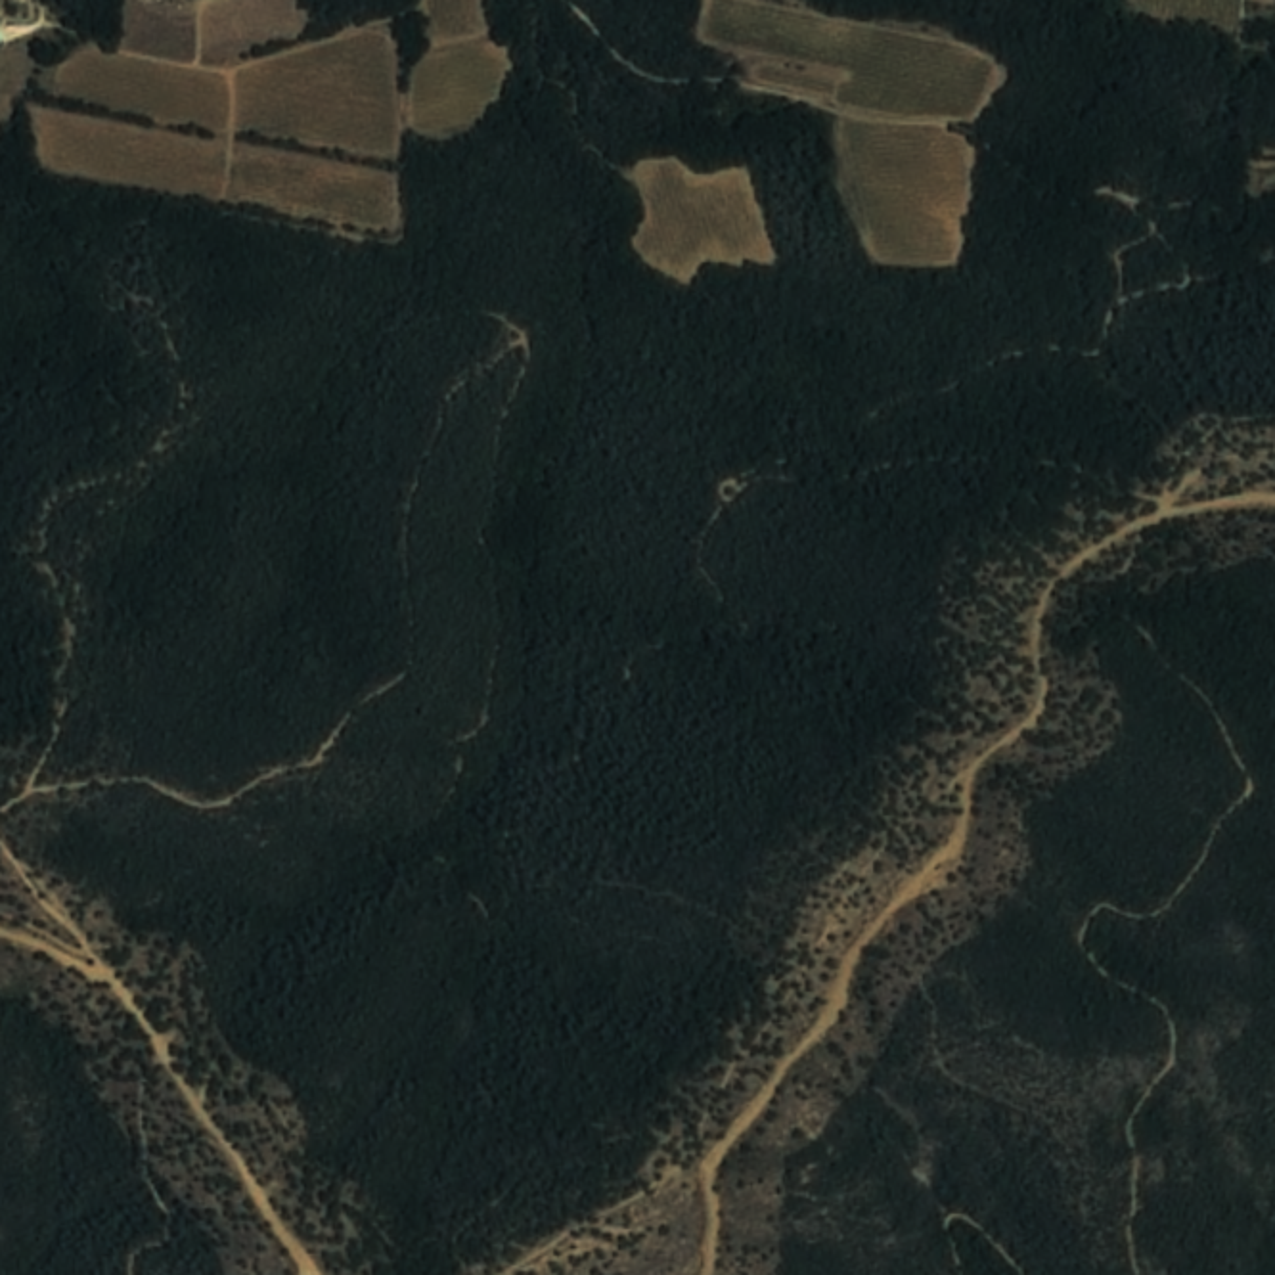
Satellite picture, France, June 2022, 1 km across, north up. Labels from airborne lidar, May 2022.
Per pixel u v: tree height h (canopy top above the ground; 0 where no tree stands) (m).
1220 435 8
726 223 0
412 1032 9
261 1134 6
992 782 7
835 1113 0
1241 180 15
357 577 12
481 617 9
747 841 6
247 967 7
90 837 7
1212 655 10
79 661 8
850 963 0
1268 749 6
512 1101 12
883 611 9
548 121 12
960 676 8
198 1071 10
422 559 7
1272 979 8
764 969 9
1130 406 8
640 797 17
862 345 9
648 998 10
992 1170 9
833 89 0
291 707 11
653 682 9
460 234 11
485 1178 9
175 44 0
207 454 9
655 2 9
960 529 9
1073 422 12
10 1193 8
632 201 11
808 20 0
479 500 9
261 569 7
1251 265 15
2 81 0
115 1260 14
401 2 11
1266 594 7
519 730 11
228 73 0
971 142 8
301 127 0
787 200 16
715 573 9
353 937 19
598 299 14
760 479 9
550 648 10
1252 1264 6
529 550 14
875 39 0
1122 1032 10
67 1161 8
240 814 5
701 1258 0
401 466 9
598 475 14
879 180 0
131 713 7
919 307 12
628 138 12
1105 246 16
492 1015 9
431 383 6
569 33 12
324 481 12
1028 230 10
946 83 0
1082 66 12
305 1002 9
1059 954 6
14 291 9
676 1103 8
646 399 8
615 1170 7
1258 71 13
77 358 11
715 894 6
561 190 11
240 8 0
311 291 7
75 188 9
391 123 0
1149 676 7
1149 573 10
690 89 12
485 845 6
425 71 0
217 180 0
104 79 0
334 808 7
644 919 6
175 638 7
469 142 15
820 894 7
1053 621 13
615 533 10
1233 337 6
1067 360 9
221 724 12
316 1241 7
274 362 9
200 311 11
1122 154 7
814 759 7
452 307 8
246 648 9
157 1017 11
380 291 10
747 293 11
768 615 10
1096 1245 6
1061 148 17
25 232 13
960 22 10
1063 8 15
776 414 14
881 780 9
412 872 13
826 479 14
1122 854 8
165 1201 8
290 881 7
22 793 6
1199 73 11
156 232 12
